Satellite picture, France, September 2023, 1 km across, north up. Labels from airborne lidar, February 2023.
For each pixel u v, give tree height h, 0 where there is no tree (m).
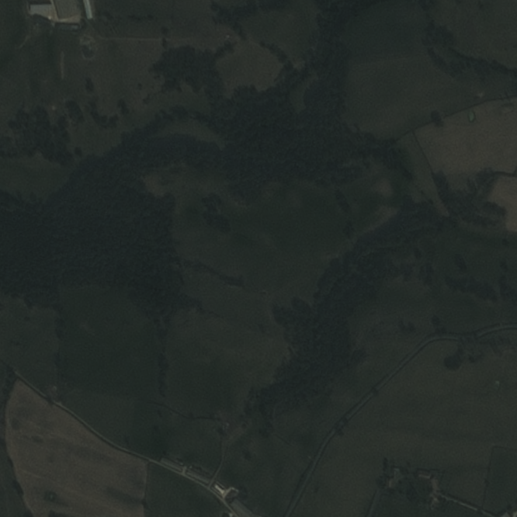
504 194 0
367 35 0
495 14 0
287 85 16
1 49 0
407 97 0
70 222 22
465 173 0
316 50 31
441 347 0
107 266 22
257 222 0
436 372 0
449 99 0
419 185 0
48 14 0
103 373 0
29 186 0
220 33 0
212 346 0
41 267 10
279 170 24
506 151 0
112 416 0
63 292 0
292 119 20
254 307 0
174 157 21
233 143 17
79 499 0
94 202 20
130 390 0
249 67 0
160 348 0
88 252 23
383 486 11
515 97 0
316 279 0
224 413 0
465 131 0
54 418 0
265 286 0
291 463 0
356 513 0
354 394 0
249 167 16
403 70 0
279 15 0
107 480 0
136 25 0
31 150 11
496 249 0
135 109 0
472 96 0
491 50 0
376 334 0
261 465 0
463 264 21
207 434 0
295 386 23
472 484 0
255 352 0
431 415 0
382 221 0
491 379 0
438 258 0
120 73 0
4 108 0
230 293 0
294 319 18
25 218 9
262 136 21
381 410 0
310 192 0
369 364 0
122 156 18
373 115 0
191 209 0
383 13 0
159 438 0
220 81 14
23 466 0
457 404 0
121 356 0
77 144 0
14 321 0
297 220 0
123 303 0
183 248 0
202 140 0
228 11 0
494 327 0
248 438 0
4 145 6
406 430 0
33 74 0
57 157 13
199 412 0
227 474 0
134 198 22
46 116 14
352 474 0
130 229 19
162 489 0
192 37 0
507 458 0
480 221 8
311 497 0
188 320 0
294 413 0
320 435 0
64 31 0
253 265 0
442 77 0
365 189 0
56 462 0
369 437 0
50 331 0
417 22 0
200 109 0
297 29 0
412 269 11
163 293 6
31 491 0
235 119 23
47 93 0
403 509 0
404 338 0
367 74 0
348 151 14
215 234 0
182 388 0
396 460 0
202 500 0
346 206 23
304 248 0
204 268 0
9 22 0
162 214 22
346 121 0
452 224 7
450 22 0
